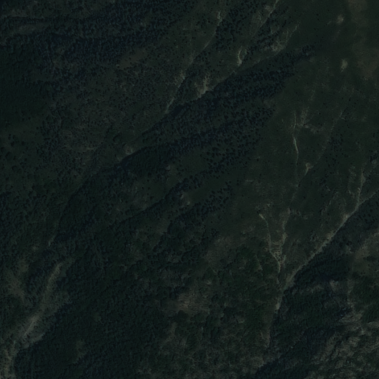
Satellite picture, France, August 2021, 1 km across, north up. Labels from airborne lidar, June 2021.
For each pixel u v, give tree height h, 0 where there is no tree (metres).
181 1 9
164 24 11
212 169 7
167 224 0
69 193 8
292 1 0
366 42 0
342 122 0
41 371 13
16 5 8
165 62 7
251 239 7
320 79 0
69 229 10
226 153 7
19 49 14
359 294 6
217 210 10
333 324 7
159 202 6
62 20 8
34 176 6
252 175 0
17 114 11
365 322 6
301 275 14
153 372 9
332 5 0
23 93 14
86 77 22
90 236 25
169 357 12
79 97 10
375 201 0
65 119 12
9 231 21
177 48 0
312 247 8
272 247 0
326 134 0
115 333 21
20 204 7
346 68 0
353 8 0
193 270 7
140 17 7
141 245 8
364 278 11
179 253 12
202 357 12
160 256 13
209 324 8
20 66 15
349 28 0
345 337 7
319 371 7
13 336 16
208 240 7
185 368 11
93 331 15
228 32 12
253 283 10
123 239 9
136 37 7
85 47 11
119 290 13
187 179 12
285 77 8
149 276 10
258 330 7
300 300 9
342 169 0
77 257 13
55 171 10
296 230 0
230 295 7
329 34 0
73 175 19
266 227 7
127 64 0
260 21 0
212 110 16
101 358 16
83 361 27
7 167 0
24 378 16
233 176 0
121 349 17
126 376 17
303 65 0
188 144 7
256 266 11
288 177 0
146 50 7
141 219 12
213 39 0
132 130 10
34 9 11
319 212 8
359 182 0
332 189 6
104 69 7
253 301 10
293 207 0
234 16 12
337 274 10
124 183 7
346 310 6
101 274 26
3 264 26
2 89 16
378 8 0
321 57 0
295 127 0
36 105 12
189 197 0
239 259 6
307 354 8
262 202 0
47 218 12
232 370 10
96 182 7
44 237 10
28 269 6
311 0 0
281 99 0
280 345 9
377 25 0
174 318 8
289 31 0
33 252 12
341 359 6
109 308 20
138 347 15
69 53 13
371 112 0
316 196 0
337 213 0
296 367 9
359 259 0
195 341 14
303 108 0
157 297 11
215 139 12
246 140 9
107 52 11
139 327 8
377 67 0
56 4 16
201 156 8
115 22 8
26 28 6
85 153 7
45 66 6
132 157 12
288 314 7
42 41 18
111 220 7
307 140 0
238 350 8
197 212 8
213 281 9
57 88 19
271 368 10
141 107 0
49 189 16
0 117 10
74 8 16
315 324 9
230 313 9
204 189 0
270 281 8
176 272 8
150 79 8
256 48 13
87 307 14
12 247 10
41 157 9
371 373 9
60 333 12
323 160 0
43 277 15
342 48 0
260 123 12
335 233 0
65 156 12
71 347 15
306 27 0
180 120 16
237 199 0
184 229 7
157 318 7
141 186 0
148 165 13
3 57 17
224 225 0
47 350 18
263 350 6
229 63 0
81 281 24
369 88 0
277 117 0
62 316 11
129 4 16
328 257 7
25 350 10
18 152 0
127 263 14
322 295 7
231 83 8
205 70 8
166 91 7
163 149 7
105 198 9
